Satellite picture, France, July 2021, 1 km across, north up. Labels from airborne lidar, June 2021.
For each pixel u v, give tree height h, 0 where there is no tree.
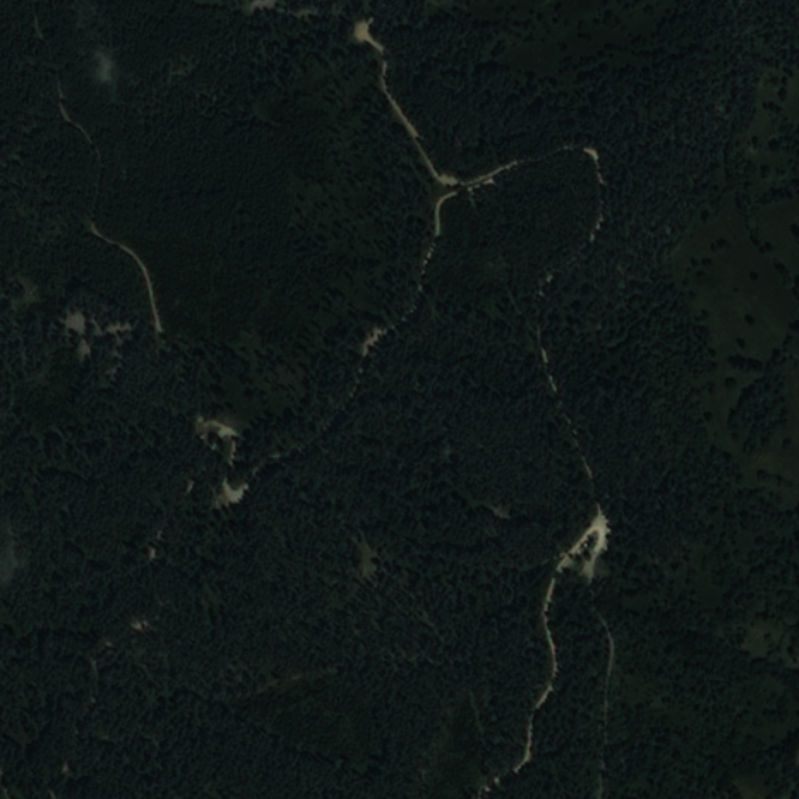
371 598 28
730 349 0
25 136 21
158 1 15
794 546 15
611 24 15
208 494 36
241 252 16
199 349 0
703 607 9
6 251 17
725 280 0
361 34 0
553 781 31
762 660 15
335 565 25
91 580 31
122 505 35
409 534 11
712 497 17
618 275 22
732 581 10
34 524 24
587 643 27
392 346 35
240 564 34
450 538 13
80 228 18
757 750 14
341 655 30
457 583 27
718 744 11
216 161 18
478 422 32
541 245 17
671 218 20
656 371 11
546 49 0
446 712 31
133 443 33
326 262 17
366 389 13
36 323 28
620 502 32
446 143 20
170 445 29
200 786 36
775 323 0
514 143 19
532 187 22
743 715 16
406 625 23
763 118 0
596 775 8
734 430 8
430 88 28
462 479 37
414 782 31
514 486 33
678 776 11
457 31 25
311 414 25
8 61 14
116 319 25
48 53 18
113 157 13
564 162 17
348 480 33
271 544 31
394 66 20
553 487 28
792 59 20
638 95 15
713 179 11
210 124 18
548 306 28
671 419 12
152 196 14
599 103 31
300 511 31
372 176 11
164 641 32
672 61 18
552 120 24
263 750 28
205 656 32
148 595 32
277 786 30
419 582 28
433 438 14
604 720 7
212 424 0
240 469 27
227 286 6
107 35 16
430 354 17
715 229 0
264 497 34
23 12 13
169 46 16
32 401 6
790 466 0
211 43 12
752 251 0
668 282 11
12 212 17
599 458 34
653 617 11
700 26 9
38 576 28
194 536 24
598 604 15
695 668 18
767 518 9
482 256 9
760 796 0
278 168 17
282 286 7
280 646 28
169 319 7
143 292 17
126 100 14
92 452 34
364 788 34
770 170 15
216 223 19
